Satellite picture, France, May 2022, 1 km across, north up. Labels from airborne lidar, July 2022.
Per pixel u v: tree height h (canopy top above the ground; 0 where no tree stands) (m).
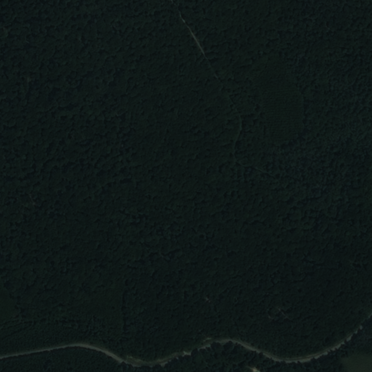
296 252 32
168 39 27
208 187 25
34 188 32
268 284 31
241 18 27
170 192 28
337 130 24
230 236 30
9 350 16
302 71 19
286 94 6
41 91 30
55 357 15
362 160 29
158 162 27
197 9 27
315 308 26
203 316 26
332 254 31
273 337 21
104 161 29
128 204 30
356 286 31
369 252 30
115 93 30
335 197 30
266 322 23
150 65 28
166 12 26
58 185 29
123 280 18
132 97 25
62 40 30
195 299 27
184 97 25
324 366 31
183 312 26
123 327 12
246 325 22
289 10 24
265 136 28
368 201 13
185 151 28
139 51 30
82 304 19
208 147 30
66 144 28
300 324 24
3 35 33
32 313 27
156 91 29
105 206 29
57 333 15
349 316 32
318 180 33
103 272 31
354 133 23
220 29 26
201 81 26
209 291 29
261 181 27
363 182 23
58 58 31
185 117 26
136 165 23
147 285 28
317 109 21
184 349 20
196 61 26
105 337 23
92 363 17
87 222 30
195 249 29
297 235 34
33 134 30
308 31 28
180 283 30
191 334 26
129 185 30
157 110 25
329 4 29
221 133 27
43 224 27
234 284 28
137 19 29
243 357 34
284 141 7
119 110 30
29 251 33
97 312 15
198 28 22
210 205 29
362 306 30
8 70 28
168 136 26
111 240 26
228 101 26
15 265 30
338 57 20
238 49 28
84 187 31
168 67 27
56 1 31
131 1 28
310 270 27
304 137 32
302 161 28
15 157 29
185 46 25
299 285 31
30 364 16
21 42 30
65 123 31
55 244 33
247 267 30
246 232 30
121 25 31
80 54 32
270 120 7
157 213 25
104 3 28
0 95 34
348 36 28
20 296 28
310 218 30
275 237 30
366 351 25
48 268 27
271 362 20
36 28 31
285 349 26
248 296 28
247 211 31
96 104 32
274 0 32
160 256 28
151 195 28
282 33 26
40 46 30
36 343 17
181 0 28
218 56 26
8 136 31
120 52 31
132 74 27
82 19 28
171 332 27
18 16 30
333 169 23
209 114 30
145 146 29
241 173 26
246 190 25
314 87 17
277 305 23
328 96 22
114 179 31
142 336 27
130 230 28
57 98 32
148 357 23
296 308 28
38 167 28
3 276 22
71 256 29
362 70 25
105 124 26
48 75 30
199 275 31
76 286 28
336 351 6
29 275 30
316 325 33
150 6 28
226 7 26
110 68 32
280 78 9
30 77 32
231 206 28
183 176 29
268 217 28
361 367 0
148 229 27
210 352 30
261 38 33
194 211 28
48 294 33
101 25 31
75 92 31
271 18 28
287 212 26
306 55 26
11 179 32
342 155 22
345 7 30
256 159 25
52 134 29
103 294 17
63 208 29
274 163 30
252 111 30
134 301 31
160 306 27
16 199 31
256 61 28
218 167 10
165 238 29
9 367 16
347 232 32
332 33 24
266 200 29
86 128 29
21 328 6
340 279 31
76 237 30
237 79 33
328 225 33
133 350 21
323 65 24
